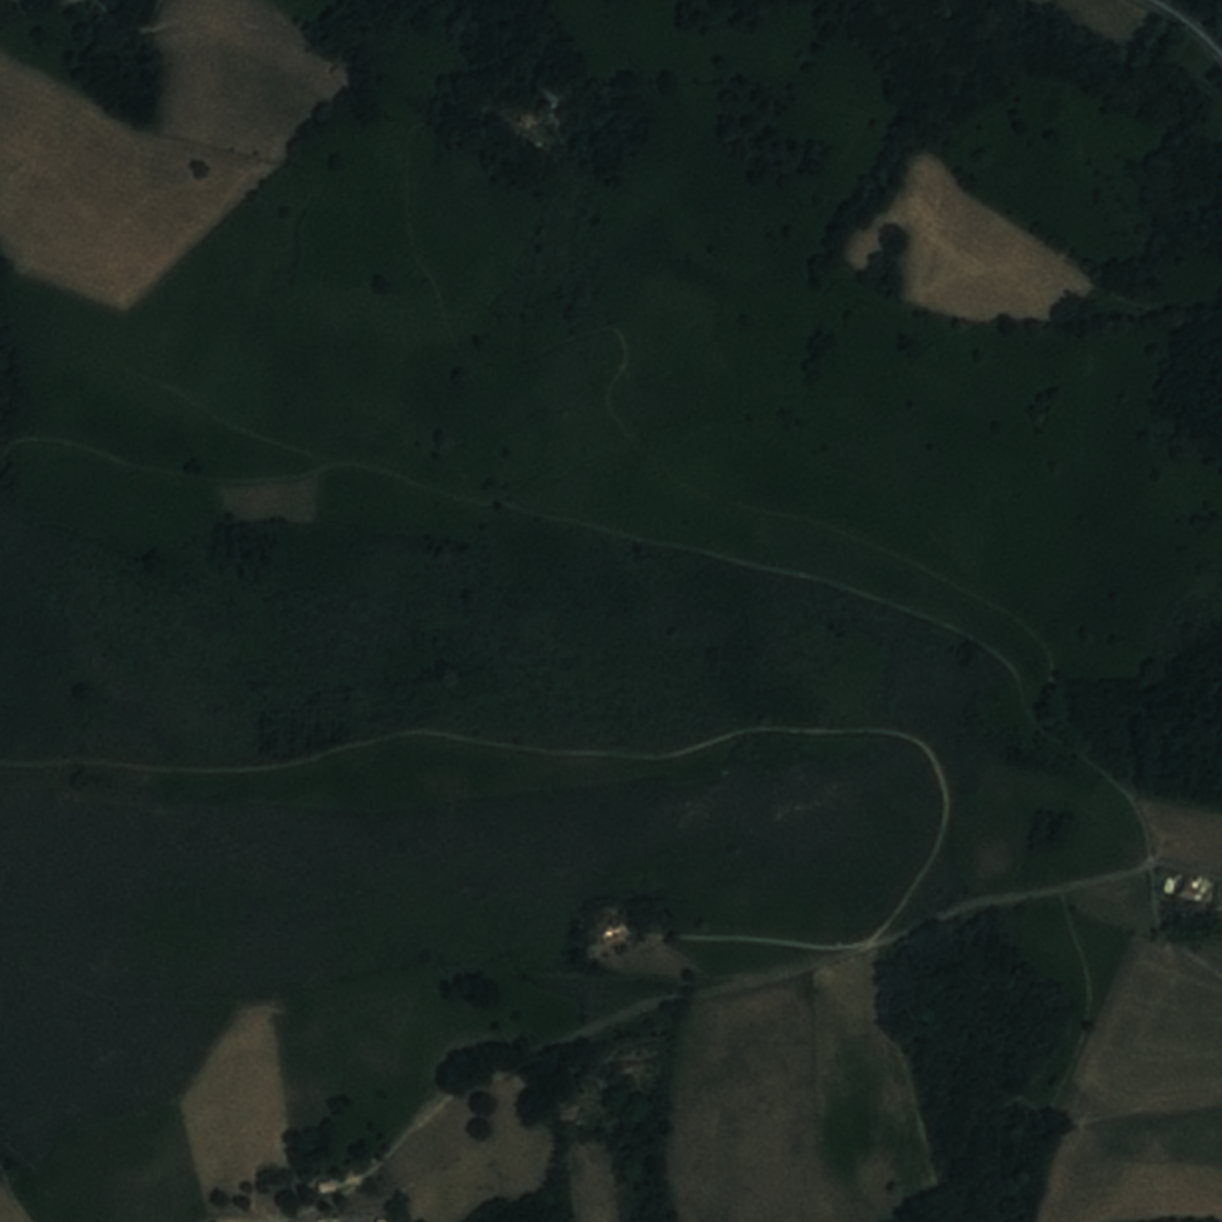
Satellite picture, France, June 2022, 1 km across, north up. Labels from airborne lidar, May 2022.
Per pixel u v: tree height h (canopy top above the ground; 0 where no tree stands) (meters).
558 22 9
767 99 12
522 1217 11
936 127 18
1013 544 0
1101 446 0
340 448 0
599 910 11
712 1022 0
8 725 0
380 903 0
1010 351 0
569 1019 0
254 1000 0
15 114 0
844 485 0
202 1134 0
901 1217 17
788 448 0
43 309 0
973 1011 22
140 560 8
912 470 0
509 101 16
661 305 0
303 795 0
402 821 0
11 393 9
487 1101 18
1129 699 13
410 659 0
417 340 0
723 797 0
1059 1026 19
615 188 8
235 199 0
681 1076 0
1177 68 18
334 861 0
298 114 0
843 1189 0
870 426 0
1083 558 0
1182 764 12
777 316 0
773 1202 0
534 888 0
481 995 26
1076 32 21
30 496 0
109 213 0
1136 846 0
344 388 0
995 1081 20
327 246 0
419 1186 0
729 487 0
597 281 0
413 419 0
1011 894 0
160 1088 0
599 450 0
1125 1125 0
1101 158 0
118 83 18
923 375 0
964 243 0
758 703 0
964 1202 11
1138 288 17
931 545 0
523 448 0
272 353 0
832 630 9
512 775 0
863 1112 0
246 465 0
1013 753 8
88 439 0
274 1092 0
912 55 14
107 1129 0
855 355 0
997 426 8
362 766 0
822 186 0
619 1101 18
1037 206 0
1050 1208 0
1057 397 12
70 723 0
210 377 0
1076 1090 0
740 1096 0
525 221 0
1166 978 0
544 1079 23
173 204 0
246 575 11
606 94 12
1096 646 0
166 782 0
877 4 14
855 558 0
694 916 0
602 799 0
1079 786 0
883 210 10
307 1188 12
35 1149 0
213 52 0
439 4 12
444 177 0
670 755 0
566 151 9
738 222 0
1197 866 0
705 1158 0
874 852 0
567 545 0
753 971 0
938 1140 13
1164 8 0
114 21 16
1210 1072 0
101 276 0
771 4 12
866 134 0
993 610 0
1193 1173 0
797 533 0
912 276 0
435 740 0
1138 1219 0
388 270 0
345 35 17
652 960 0
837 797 0
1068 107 0
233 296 0
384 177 0
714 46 0
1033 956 0
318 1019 0
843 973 0
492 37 22
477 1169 0
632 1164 17
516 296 0
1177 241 13
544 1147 0
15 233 0
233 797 0
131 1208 0
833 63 0
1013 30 25
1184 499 0
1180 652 7
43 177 0
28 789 0
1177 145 18
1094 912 0
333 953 0
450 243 0
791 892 0
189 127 0
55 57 0
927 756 0
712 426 0
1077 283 0
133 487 0
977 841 0
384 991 0
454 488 0
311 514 0
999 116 0
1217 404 15
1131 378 0
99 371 0
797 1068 0
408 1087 0
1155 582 0
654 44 0
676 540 0
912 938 10
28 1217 0
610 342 0
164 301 0
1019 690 0
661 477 0
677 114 0
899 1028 18
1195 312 12
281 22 0
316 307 0
